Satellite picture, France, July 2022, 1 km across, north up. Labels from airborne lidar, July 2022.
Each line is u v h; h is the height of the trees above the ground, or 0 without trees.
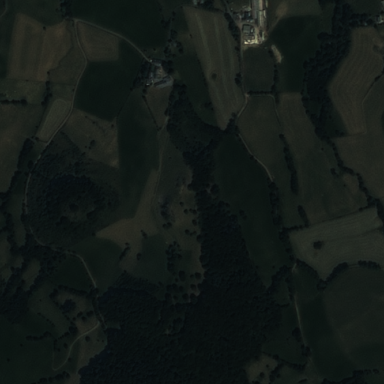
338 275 12
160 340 18
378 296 0
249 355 27
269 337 0
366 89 0
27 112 0
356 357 0
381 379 0
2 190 0
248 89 0
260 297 27
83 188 18
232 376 24
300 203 0
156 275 0
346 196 0
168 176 0
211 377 24
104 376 26
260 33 0
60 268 0
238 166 0
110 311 21
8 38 0
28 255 17
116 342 28
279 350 0
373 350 0
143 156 0
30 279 0
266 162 0
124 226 0
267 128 0
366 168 0
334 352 0
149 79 0
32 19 0
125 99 0
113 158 0
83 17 0
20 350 0
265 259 0
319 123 18
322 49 16
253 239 0
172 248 6
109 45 0
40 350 0
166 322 19
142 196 0
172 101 19
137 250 0
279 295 0
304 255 0
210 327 27
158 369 19
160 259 0
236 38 20
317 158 0
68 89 0
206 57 0
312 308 0
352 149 0
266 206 0
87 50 0
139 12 0
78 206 10
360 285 0
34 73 0
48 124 0
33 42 0
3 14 0
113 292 21
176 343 7
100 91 0
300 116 0
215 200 6
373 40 0
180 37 0
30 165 14
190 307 21
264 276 0
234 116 16
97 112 0
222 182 0
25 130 0
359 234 0
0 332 0
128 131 0
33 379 0
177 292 7
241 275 25
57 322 0
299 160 0
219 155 0
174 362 19
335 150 12
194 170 11
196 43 0
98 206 9
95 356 0
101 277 0
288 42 0
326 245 0
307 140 0
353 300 0
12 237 14
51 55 0
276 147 0
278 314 27
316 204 0
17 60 0
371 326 0
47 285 0
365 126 0
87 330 0
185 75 0
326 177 0
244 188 0
